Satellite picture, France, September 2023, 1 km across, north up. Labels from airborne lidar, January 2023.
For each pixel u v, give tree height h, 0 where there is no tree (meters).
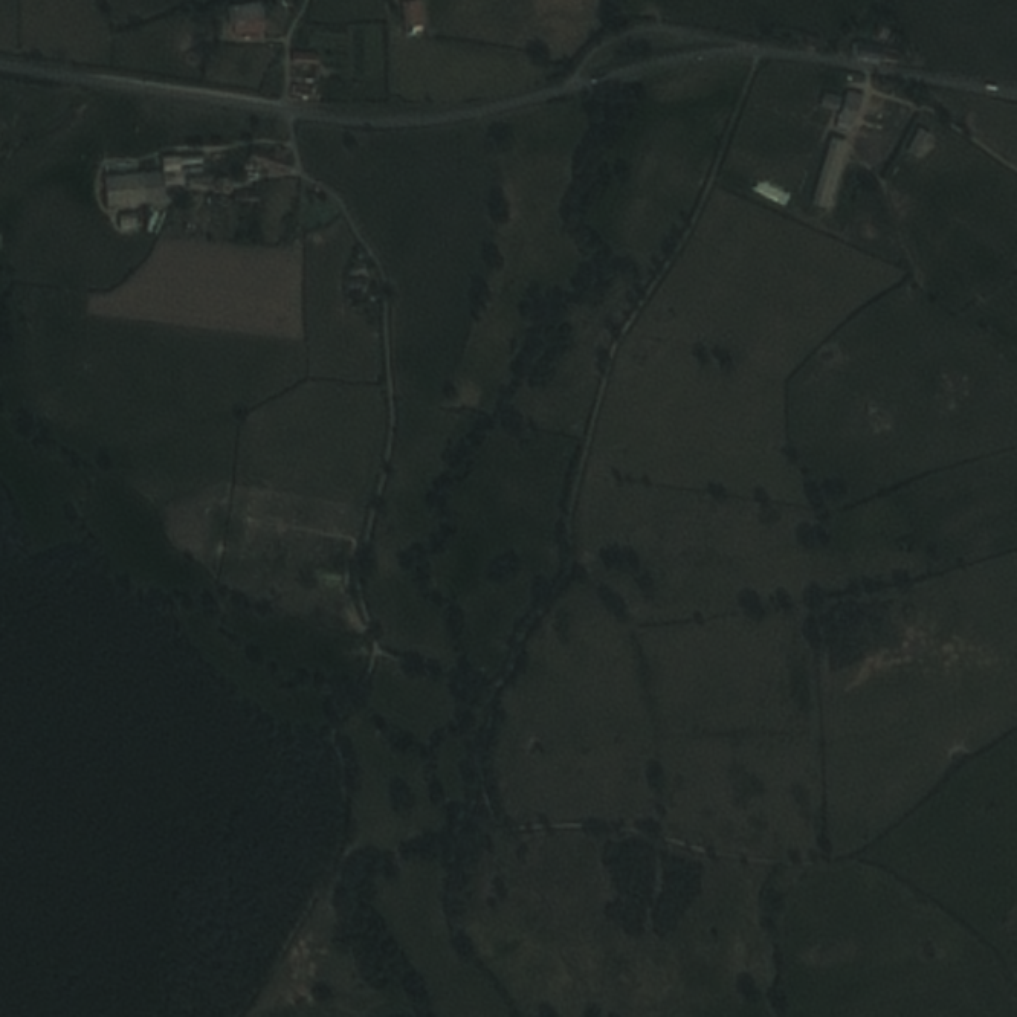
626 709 0
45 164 0
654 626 0
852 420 0
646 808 0
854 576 0
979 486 0
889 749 0
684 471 0
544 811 0
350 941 10
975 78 0
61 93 0
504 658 0
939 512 0
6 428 0
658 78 0
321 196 9
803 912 0
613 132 20
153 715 17
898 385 0
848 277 0
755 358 0
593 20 0
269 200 0
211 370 0
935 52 0
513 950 0
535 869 0
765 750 0
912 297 0
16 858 12
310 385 0
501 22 0
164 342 0
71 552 13
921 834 0
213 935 14
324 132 0
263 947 14
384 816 0
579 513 0
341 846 0
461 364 0
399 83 0
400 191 0
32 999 10
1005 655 0
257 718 14
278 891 14
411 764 0
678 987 0
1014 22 0
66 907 11
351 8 0
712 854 11
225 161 0
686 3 0
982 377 0
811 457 0
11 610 16
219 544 0
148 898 13
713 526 0
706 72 0
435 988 0
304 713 0
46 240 0
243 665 0
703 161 0
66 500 0
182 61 0
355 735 0
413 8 0
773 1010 14
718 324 0
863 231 0
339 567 0
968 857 0
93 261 0
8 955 12
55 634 14
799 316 0
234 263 0
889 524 0
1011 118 0
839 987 0
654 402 0
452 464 17
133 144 0
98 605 14
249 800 14
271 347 0
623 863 9
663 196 0
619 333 14
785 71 0
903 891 0
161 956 12
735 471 0
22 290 0
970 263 0
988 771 0
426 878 0
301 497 0
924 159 0
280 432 0
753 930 0
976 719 0
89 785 15
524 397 0
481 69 0
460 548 0
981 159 0
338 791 14
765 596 0
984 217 0
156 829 13
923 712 0
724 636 0
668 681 0
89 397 0
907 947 0
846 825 0
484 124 0
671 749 0
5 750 16
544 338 10
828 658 0
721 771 0
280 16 0
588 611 0
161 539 0
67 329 0
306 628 0
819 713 0
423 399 0
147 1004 10
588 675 0
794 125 0
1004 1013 0
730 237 0
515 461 0
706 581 0
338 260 0
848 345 0
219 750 15
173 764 15
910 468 0
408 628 0
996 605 0
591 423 0
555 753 0
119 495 0
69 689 15
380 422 0
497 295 0
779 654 0
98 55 0
